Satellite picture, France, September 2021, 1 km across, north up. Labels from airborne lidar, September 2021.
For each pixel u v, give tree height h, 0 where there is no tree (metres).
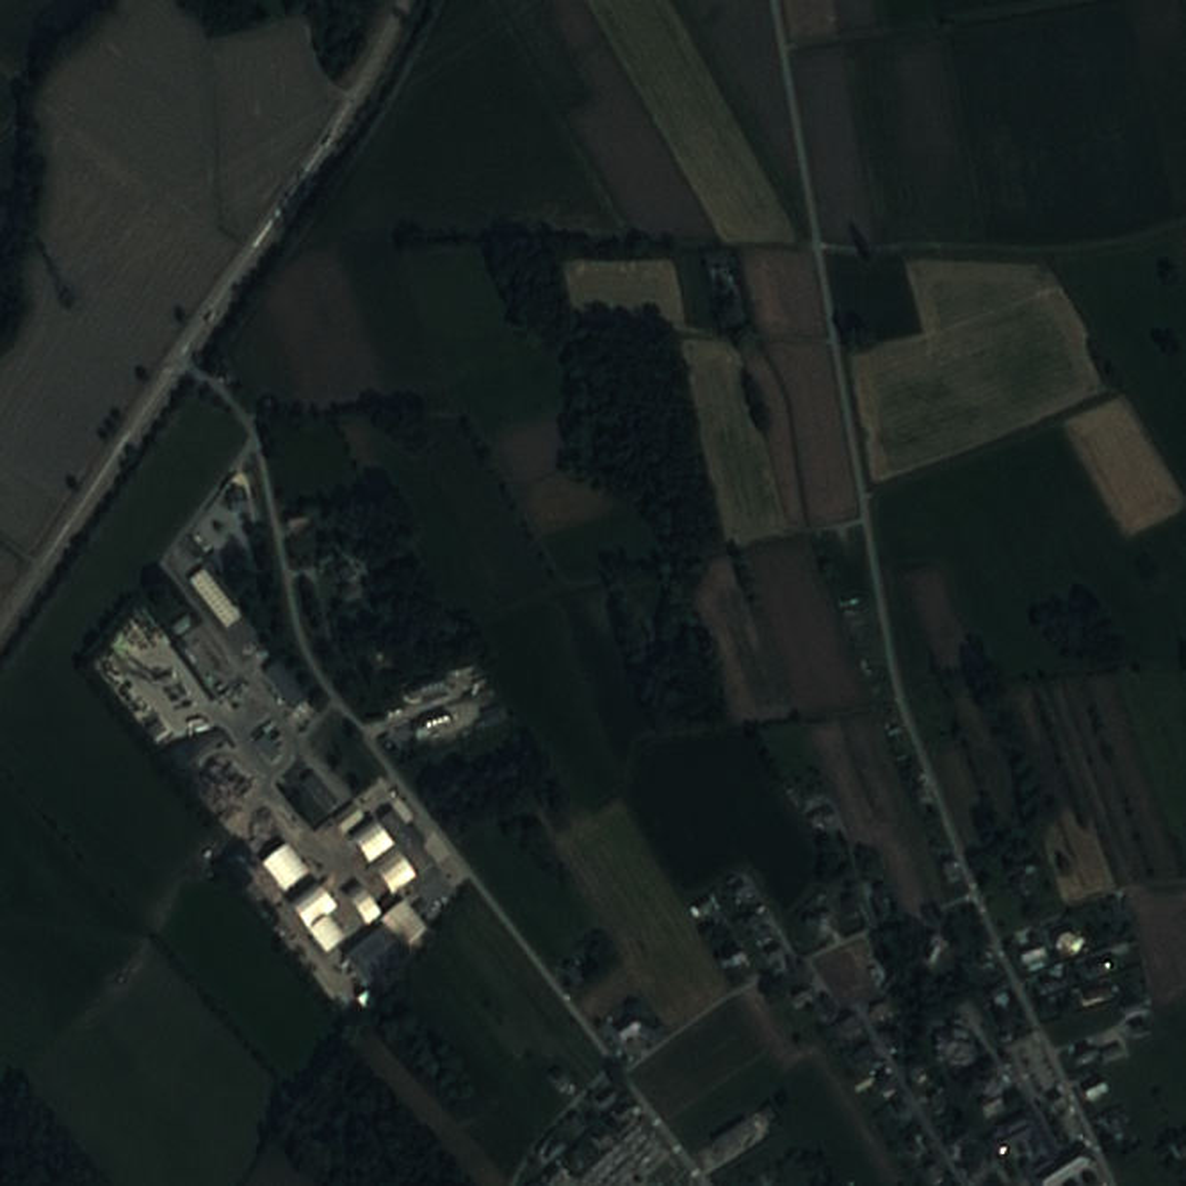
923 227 0
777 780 7
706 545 24
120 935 0
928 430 0
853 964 0
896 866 0
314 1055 0
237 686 0
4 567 0
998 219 0
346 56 13
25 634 10
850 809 0
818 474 0
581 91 0
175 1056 0
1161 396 0
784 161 0
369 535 26
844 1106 0
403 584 24
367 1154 21
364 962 0
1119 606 0
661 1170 0
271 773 0
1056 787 0
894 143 0
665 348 29
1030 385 0
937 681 10
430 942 9
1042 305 0
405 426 24
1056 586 0
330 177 17
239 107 0
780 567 0
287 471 0
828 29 0
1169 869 0
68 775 0
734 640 0
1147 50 0
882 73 0
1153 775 0
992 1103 0
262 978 0
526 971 0
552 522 0
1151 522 0
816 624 0
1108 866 0
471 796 26
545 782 33
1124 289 0
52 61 34
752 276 0
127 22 0
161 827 0
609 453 14
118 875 0
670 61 0
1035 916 10
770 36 0
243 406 0
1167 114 0
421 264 0
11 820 0
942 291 0
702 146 0
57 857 0
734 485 0
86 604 0
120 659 0
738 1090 0
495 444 0
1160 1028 0
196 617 9
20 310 18
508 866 0
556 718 0
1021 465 0
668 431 23
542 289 29
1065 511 0
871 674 0
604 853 0
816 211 0
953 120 0
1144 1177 0
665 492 23
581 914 0
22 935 0
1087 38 0
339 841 0
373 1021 15
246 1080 0
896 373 0
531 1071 0
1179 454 0
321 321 0
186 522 0
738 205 0
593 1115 6
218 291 0
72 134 0
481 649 18
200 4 17
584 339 22
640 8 0
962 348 0
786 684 0
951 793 0
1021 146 0
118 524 0
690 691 26
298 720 0
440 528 0
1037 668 0
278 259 13
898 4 0
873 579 0
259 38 0
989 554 0
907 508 0
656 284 0
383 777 0
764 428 16
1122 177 0
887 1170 0
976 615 0
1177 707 0
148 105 0
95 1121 0
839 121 0
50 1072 0
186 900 0
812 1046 0
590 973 13
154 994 0
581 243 13
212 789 0
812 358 0
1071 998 6
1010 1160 8
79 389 0
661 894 0
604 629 0
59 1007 0
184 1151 0
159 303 0
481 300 0
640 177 0
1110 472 0
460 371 0
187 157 0
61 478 0
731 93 0
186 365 0
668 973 0
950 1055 0
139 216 0
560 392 0
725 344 0
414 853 0
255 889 0
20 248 20
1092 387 0
